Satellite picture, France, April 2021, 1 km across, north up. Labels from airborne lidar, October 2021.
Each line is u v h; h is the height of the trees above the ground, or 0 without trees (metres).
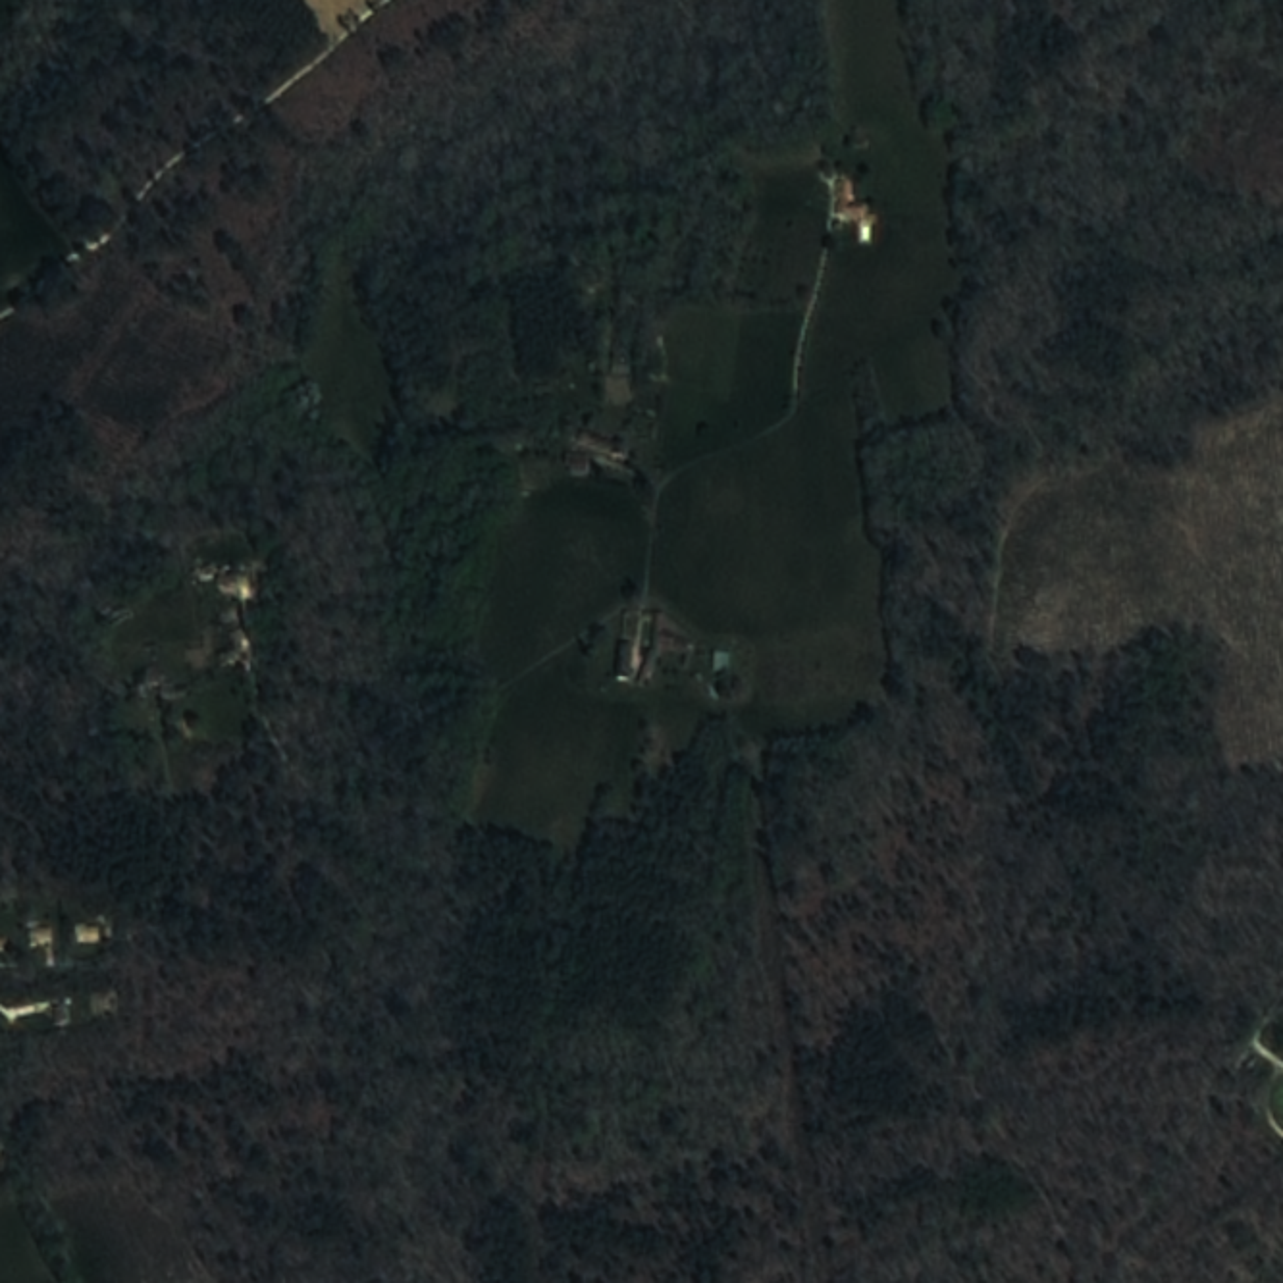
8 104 18
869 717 15
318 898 33
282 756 17
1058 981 20
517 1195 16
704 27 18
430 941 17
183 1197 13
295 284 15
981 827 12
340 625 20
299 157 28
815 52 20
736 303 12
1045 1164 14
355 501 20
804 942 12
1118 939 14
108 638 21
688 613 0
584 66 17
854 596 0
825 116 23
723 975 18
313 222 23
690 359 0
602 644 15
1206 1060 14
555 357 17
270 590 15
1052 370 24
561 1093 11
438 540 22
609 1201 7
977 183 13
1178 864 11
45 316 25
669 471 7
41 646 13
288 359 10
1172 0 16
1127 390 27
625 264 18
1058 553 0
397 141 17
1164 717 17
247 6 26
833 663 0
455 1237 21
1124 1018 15
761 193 0
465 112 19
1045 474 18
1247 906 20
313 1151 18
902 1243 12
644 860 22
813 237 0
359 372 0
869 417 8
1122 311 16
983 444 20
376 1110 25
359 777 21
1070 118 20
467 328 18
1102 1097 13
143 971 10
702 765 14
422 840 22
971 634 22
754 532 0
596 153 19
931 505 20
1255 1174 14
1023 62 16
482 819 0
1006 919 10
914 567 21
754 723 0
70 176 9
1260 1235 14
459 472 21
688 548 0
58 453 29
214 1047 24
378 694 14
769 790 11
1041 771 10
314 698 21
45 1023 0
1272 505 0
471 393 13
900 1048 17
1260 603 0
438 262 25
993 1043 17
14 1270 0
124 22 23
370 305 28
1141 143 28
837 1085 16
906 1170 15
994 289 19
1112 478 0
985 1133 21
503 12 19
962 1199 15
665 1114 8
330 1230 16
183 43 9
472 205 11
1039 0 22
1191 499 0
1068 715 18
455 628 23
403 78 8
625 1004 21
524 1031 15
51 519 15
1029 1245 14
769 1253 11
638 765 8
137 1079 10
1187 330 22
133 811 18
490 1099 12
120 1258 0
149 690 6
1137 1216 17
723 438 0
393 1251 9
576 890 18
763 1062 12
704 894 18
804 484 0
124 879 19
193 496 22
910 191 0
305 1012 19
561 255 24
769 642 0
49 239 0
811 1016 8
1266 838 17
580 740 0
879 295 0
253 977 9
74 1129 9
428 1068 17
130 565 20
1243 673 0
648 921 19
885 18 0
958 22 22
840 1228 7
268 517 15
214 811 6
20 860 12
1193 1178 14
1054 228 14
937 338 9
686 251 10
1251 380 11
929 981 9
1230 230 20
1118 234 21
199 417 10
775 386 0
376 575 16
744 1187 17
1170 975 20
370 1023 17
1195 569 0
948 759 12
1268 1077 0
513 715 0
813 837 22
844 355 0
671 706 0
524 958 18
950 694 9
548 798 0
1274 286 12
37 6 11
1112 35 18
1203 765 14
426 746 27
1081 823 19
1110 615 0
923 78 18
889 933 7
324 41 25
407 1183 20
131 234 9
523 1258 27
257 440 28
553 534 0
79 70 28
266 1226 25
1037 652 0
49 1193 14
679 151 24
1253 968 21
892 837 11
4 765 18
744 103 24
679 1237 12
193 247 22
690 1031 10
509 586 0
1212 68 25
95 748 19
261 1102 7
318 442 18
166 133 26
